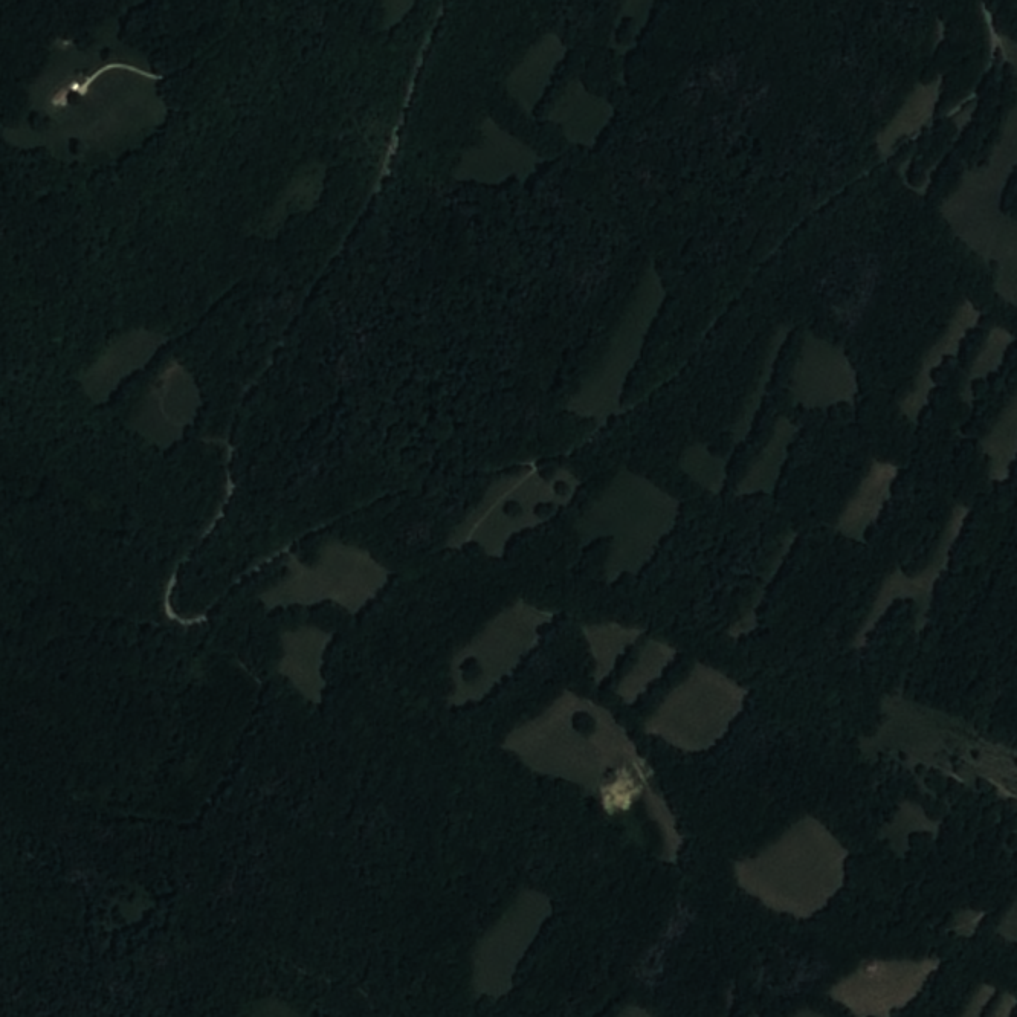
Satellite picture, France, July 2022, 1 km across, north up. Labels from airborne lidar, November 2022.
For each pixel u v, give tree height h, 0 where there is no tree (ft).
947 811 28
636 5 0
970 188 0
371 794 64
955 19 47
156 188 52
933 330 56
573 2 57
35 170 71
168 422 0
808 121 74
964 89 42
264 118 54
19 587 83
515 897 45
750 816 72
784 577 54
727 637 61
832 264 67
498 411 66
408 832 66
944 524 57
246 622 61
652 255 39
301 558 26
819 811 51
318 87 58
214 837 59
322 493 68
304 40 46
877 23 69
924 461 56
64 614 78
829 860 0
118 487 58
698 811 52
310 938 40
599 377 0
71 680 67
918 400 0
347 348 83
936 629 52
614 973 63
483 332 72
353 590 0
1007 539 50
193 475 44
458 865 82
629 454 62
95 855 48
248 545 49
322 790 65
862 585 68
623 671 51
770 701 57
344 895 47
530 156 0
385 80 50
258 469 55
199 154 45
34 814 54
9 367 54
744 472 71
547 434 48
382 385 78
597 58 65
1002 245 0
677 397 61
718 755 52
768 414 57
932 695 41
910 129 0
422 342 73
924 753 0
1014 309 50
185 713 33
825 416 49
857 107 57
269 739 60
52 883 50
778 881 0
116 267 41
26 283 72
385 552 48
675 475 71
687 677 51
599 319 53
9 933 58
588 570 60
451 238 88
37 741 49
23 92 48
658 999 56
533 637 0
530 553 53
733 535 76
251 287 53
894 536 80
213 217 62
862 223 42
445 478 87
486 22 58
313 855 61
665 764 62
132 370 0
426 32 46
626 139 73
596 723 61
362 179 47
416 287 82
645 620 59
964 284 54
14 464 52
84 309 68
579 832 62
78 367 54
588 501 59
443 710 66
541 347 47
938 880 62
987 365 0
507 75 45
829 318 50
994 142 52
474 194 69
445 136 53
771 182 66
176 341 30
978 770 0
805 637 62
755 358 54
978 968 58
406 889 75
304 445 63
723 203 55
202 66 47
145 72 0
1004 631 55
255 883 61
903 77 52
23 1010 56
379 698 72
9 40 52
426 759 49
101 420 57
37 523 62
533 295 73
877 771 44
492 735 53
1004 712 63
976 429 65
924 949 51
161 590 39
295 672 0
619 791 0
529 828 38
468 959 44
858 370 45
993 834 52
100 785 82
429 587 41
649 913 65
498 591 43
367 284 74
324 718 63
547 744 0
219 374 54
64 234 52
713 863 56
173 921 46
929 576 0
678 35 62
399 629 55
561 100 42
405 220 62
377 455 67
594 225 94
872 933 50
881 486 0
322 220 47
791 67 69
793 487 63
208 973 60
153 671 62
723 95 81
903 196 53
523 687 57
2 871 49
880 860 40
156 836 68
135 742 72
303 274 45
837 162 50
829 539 63
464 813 70
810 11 41
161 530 49
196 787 21
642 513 0
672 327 59
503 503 0
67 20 59
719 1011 67
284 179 45
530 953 31
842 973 53
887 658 60
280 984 50
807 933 52
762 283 61
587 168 81
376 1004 34
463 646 44
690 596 63
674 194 65
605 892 59
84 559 67
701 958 47
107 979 71
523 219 87
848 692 59
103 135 0
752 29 54
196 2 51
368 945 37
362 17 37
